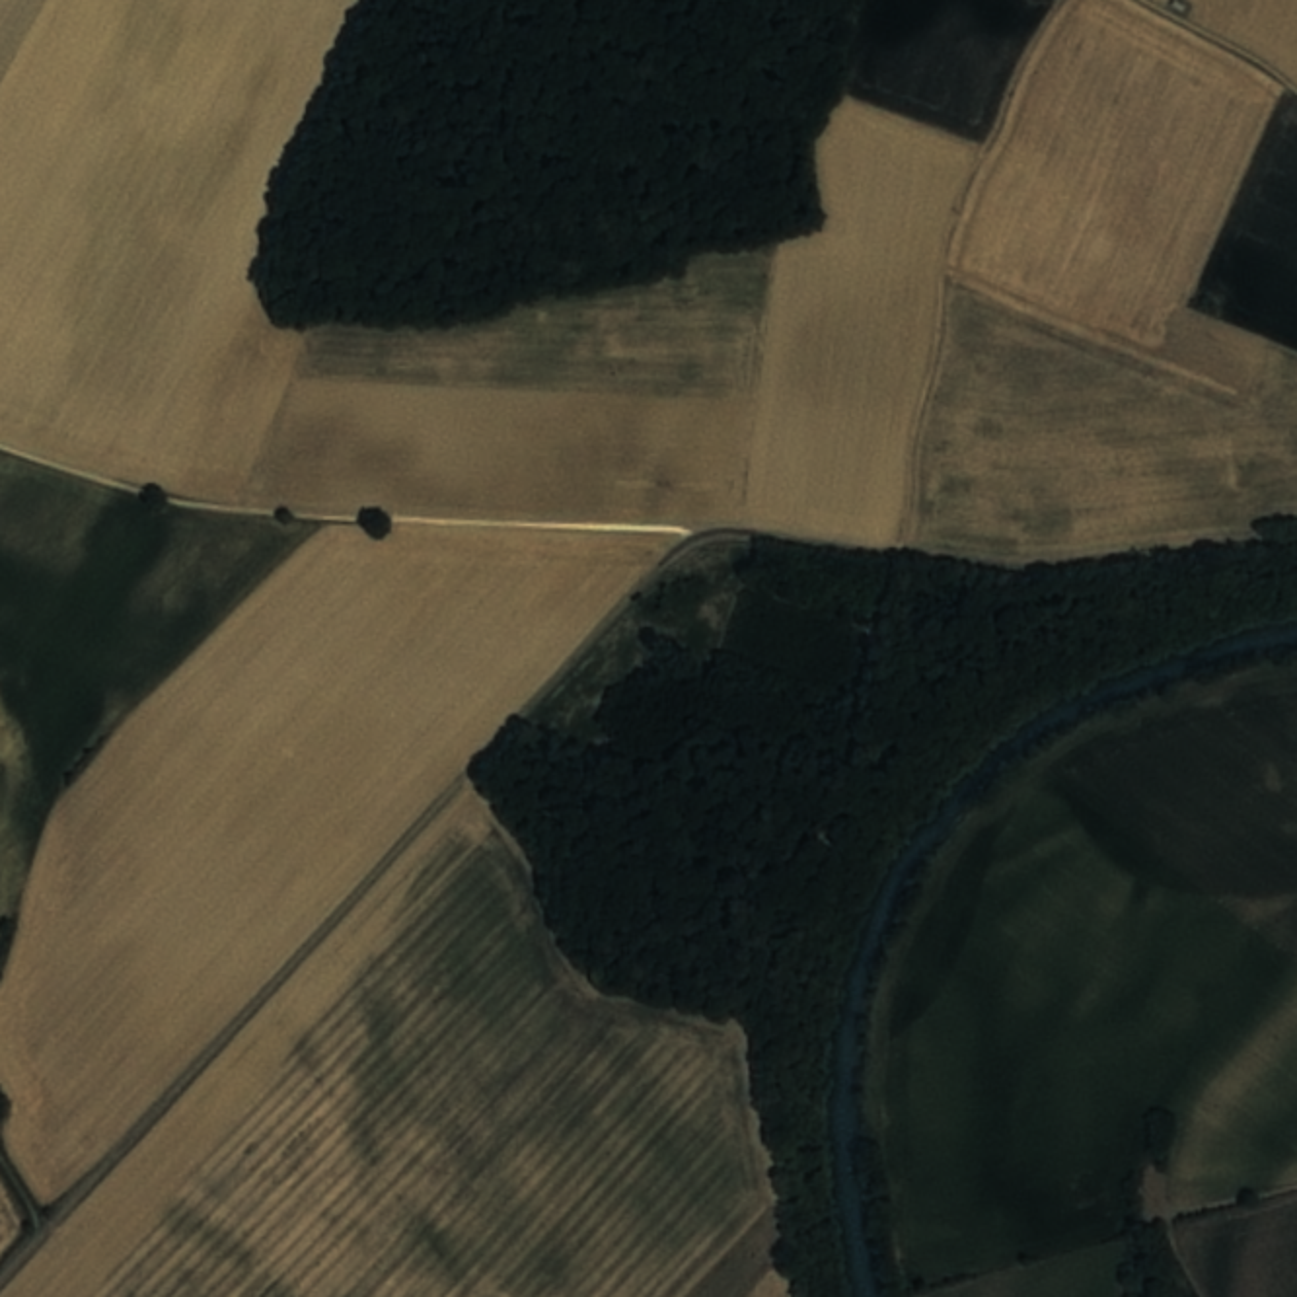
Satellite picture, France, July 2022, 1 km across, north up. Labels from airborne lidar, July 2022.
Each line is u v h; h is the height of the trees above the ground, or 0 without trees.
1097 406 0
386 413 0
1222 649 0
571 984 0
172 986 0
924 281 0
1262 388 0
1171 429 0
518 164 33
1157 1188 0
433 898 0
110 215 0
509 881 0
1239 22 0
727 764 20
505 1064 0
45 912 0
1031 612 26
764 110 28
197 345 0
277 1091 0
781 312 0
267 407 0
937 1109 0
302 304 21
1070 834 0
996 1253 0
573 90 28
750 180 26
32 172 0
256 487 0
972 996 0
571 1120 0
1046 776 0
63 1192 0
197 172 0
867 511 0
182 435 0
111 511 0
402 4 29
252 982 0
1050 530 0
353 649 0
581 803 19
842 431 0
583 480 0
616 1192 0
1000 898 0
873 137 0
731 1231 0
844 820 25
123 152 0
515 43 34
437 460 0
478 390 0
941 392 0
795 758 22
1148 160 0
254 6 0
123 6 0
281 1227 0
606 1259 0
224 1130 0
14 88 0
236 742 0
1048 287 0
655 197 29
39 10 0
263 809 0
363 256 33
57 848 0
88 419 0
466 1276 0
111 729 0
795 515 0
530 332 0
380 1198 0
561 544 0
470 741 0
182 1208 0
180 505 0
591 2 30
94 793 0
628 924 29
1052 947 0
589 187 31
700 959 27
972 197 0
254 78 0
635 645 0
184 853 0
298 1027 0
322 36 0
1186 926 0
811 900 26
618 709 13
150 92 0
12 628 0
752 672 13
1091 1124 0
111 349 0
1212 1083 0
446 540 0
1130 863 0
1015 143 0
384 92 24
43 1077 0
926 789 27
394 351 0
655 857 33
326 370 0
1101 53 0
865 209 0
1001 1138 0
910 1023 0
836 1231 17
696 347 0
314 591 0
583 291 17
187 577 0
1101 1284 0
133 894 0
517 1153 0
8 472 0
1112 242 0
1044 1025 0
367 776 0
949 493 0
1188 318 0
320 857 0
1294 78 0
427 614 0
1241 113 0
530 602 0
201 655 0
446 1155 0
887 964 14
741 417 0
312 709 0
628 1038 0
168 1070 0
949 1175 0
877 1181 18
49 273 0
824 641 6
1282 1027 0
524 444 0
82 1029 0
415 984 0
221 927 0
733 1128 0
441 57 28
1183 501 0
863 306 0
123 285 0
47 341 0
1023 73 0
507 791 21
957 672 26
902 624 25
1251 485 0
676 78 32
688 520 0
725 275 0
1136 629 20
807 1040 22
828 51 24
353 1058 0
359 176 30
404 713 0
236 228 0
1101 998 0
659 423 0
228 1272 0
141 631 0
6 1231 0
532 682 0
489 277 26
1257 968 0
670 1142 0
